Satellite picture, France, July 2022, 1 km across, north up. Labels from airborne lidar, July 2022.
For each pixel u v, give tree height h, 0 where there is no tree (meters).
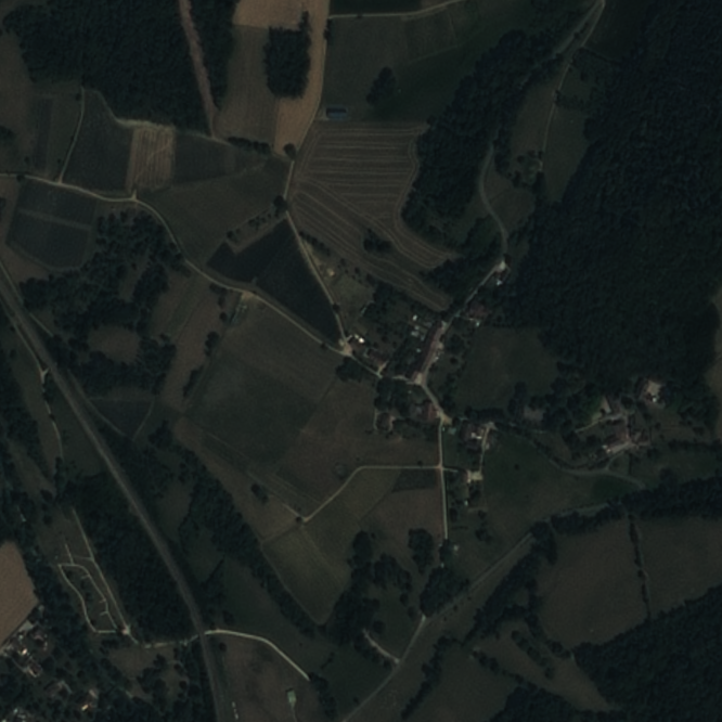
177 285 0
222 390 0
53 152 0
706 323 18
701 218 19
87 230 0
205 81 0
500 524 0
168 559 0
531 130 0
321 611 0
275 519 0
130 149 0
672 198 26
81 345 15
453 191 21
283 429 0
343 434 0
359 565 13
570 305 14
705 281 27
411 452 0
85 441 0
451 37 0
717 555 0
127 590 19
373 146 0
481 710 0
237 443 0
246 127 0
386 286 17
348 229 0
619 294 20
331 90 0
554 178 0
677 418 0
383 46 0
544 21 6
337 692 0
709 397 20
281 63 13
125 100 17
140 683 12
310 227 0
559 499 0
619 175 22
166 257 17
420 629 0
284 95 11
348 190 0
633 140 20
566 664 0
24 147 0
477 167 17
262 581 18
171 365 12
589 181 26
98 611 0
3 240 0
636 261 19
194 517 9
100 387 18
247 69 0
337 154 0
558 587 0
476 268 14
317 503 0
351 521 0
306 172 0
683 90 18
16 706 7
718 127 16
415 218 18
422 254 0
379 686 0
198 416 0
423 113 0
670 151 17
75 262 0
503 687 0
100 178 0
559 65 8
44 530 0
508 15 0
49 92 0
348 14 0
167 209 0
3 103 0
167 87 18
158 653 0
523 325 16
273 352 0
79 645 19
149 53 17
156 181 0
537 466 0
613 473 0
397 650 0
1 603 0
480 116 23
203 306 0
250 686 0
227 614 13
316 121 0
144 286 16
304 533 0
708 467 0
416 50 0
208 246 0
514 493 0
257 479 0
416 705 14
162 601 20
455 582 22
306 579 0
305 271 0
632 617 0
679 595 0
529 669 0
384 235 0
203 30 24
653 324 26
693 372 20
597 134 16
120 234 14
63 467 13
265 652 0
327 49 0
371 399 0
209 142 0
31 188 0
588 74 14
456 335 6
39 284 11
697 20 14
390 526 0
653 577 0
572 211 25
